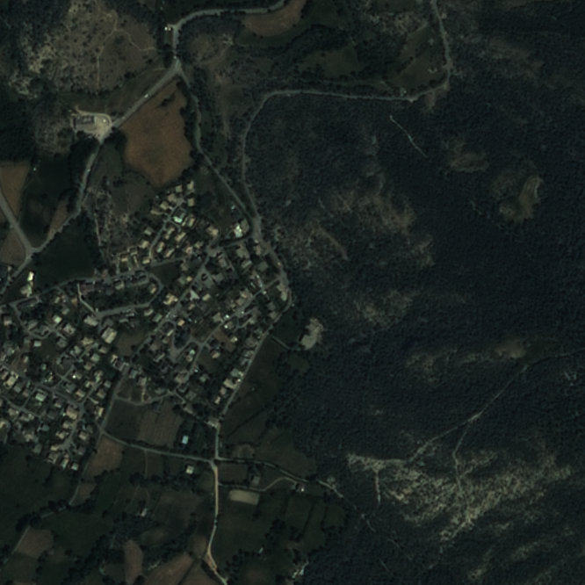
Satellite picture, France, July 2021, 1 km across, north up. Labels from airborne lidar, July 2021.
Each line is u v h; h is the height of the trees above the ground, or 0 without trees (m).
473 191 10
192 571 0
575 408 6
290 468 0
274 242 6
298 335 0
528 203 0
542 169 7
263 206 7
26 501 0
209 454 7
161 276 0
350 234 9
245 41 0
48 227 7
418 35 0
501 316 8
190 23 12
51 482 8
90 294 7
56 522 0
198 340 0
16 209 0
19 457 0
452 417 6
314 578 8
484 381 9
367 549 10
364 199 0
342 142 8
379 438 7
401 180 8
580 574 6
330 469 8
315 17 0
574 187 9
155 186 0
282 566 0
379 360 7
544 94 7
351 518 12
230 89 0
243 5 8
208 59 0
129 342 0
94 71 0
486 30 6
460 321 8
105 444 0
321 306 7
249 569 0
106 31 0
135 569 0
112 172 0
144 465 0
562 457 9
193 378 12
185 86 9
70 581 10
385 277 6
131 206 0
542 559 6
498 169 7
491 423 7
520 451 5
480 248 8
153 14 9
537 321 10
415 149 6
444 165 8
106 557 10
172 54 16
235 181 6
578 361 7
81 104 0
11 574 0
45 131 0
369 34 0
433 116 6
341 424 6
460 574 6
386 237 6
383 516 7
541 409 7
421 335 6
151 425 0
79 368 11
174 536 0
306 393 11
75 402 0
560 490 6
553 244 7
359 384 7
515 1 0
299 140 6
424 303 6
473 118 8
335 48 10
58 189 0
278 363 6
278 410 11
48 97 8
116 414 0
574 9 7
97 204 0
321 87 9
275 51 8
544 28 9
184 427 9
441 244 7
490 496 0
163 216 7
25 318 6
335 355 9
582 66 8
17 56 8
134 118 0
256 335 6
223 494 0
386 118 6
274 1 9
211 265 12
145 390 0
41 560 10
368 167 0
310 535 0
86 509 10
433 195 7
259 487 0
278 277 0
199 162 18
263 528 0
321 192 6
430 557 9
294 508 0
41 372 9
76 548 0
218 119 6
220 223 0
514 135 9
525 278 8
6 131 8
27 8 6
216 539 0
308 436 7
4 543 0
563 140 6
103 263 7
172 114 0
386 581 7
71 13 0
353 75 10
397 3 0
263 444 0
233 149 7
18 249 0
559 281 11
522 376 6
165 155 0
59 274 0
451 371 7
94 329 6
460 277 7
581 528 6
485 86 7
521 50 0
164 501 0
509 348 0
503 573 8
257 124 7
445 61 8
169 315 0
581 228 6
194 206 7
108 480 0
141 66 0
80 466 7
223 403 6
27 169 0
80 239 0
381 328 8
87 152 9
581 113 8
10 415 9
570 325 12
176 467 0
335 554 8
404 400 6
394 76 0
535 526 6
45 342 0
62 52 0
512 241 11
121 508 0
